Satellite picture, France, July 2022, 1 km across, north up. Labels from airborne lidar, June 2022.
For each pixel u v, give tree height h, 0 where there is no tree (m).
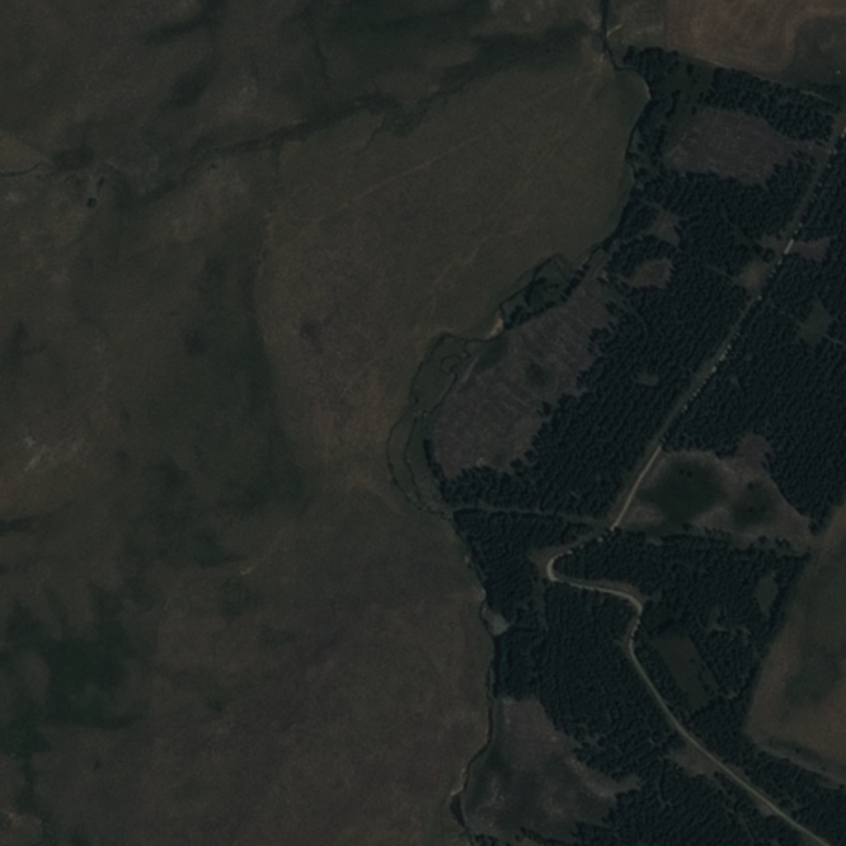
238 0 0
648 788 11
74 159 0
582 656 12
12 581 0
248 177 0
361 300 0
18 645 0
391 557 0
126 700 0
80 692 0
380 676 0
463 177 0
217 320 0
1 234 0
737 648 20
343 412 0
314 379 0
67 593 0
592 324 0
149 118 0
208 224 0
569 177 0
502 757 0
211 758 0
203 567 0
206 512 0
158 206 0
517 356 0
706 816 17
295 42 0
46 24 0
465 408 0
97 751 0
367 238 0
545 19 0
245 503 0
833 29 0
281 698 0
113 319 0
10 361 0
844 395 20
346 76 0
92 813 0
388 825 0
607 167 0
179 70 0
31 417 0
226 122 0
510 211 0
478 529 16
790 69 0
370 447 0
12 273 0
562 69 0
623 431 16
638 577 14
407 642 0
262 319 0
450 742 0
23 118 0
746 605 16
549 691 15
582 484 17
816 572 0
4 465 0
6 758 0
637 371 20
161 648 0
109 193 0
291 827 0
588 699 19
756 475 0
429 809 0
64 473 0
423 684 0
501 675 16
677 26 0
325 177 0
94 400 0
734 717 17
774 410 20
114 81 0
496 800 0
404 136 0
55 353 0
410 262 0
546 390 0
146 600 0
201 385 0
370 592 0
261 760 0
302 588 0
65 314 0
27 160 0
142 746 0
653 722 17
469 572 0
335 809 0
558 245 0
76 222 0
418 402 0
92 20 0
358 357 0
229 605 0
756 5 0
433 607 0
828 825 17
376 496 0
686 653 0
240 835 0
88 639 0
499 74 0
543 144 0
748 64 0
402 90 0
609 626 17
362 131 0
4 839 0
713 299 22
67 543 0
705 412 16
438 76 0
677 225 0
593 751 19
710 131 0
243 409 0
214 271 0
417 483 0
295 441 0
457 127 0
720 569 16
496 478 23
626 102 0
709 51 0
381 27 0
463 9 0
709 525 0
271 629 0
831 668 0
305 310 0
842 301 19
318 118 0
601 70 0
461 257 0
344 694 0
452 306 0
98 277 0
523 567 11
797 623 0
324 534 0
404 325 0
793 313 16
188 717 0
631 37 0
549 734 0
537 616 9
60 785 0
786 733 0
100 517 0
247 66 0
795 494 21
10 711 0
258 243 0
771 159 0
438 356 0
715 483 0
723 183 21
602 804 0
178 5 0
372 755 0
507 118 0
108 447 0
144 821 0
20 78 0
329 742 0
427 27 0
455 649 0
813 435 20
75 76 0
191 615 0
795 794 16
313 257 0
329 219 0
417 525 0
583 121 0
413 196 0
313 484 0
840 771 0
